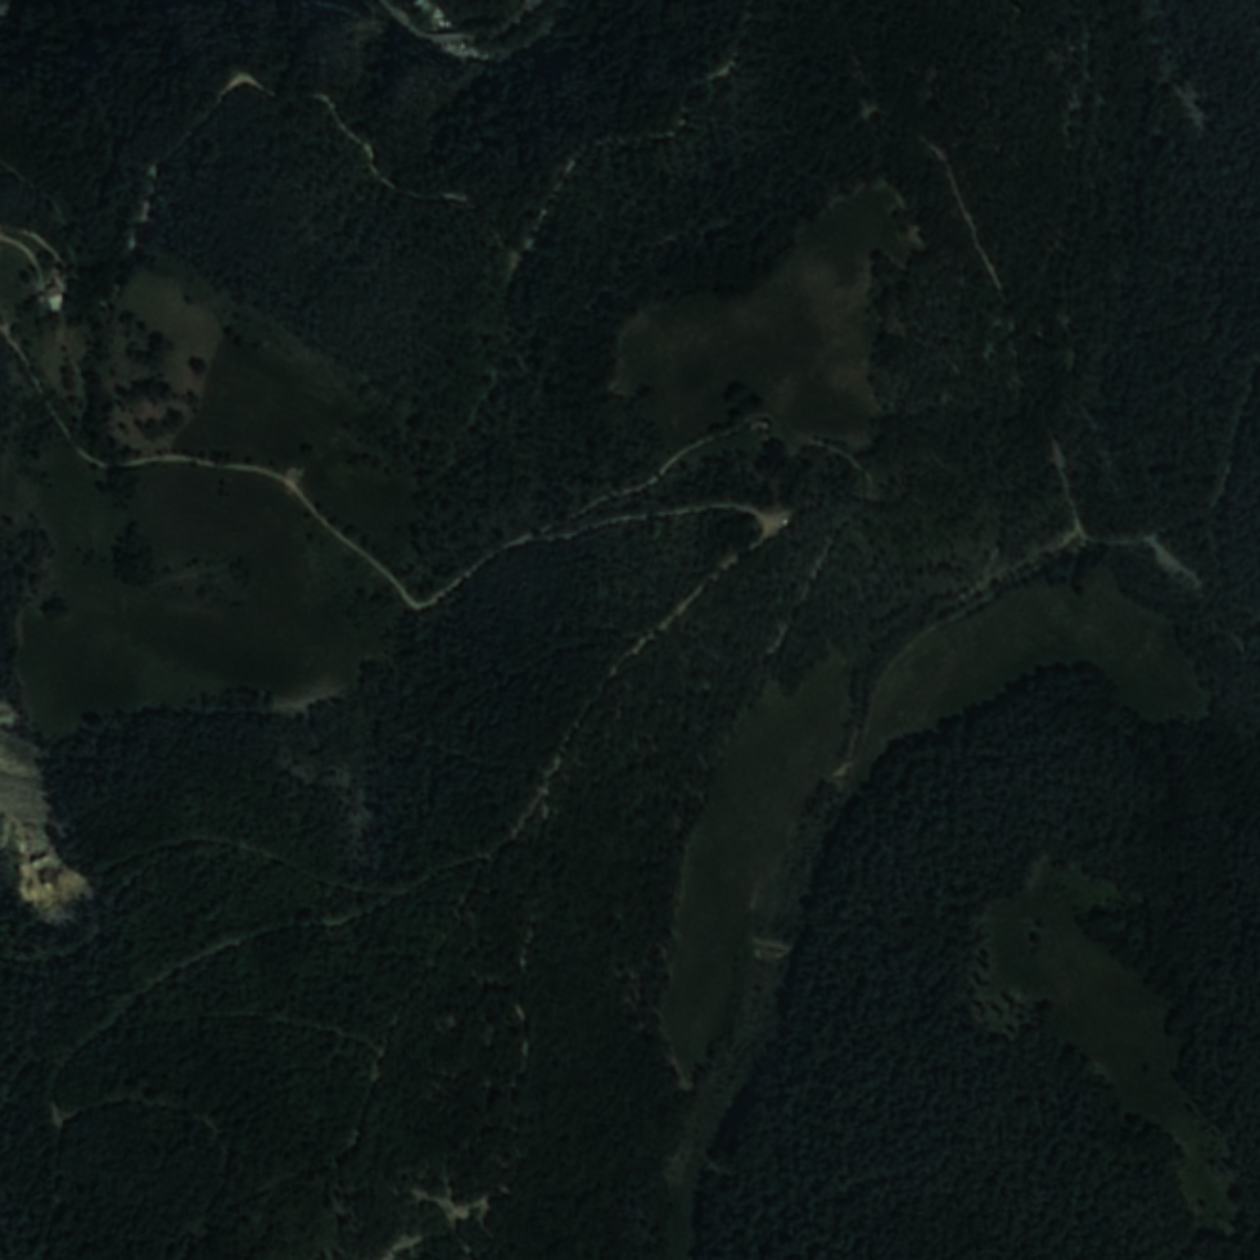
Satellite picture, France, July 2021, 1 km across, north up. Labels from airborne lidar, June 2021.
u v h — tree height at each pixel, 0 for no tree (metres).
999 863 14
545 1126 16
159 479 0
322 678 0
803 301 0
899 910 18
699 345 0
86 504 0
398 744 9
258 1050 13
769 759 0
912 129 13
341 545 0
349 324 10
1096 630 0
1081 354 14
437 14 7
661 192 12
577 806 14
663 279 11
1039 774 19
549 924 16
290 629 0
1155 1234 19
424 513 9
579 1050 15
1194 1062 19
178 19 13
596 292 9
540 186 16
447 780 15
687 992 0
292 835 8
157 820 11
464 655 7
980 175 13
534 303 14
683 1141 9
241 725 16
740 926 0
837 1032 11
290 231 13
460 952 14
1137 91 8
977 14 16
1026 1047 17
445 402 21
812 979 19
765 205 13
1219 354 19
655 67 12
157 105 19
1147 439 18
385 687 13
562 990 18
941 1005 21
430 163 25
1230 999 24
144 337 11
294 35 20
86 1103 10
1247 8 11
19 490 0
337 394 0
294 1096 11
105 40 21
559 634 10
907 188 15
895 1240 19
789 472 9
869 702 7
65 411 8
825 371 0
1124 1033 0
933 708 0
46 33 30
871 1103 12
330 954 13
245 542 0
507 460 12
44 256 10
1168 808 24
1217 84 18
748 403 17
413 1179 10
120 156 17
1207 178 14
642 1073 20
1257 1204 21
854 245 0
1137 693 0
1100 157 16
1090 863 16
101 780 15
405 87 12
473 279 14
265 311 9
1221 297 16
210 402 0
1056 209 13
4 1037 11
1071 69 11
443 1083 9
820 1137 16
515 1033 16
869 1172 16
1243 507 11
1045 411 16
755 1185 18
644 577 7
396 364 10
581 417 16
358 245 6
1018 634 0
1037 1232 15
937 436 16
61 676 0
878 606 17
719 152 11
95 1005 12
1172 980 19
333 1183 12
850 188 15
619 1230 21
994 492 21
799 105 16
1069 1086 17
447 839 7
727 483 14
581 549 10
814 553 14
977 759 17
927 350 14
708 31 17
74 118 25
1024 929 0
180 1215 14
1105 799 21
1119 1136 17
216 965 8
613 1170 14
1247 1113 21
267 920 10
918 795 7
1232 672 10
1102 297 12
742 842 0
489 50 14
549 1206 17
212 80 18
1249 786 19
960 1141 16
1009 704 21
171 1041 14
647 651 10
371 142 9
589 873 17
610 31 20
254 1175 11
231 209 11
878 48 17
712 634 13
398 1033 10
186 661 0
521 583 9
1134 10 6
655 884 16
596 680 13
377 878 9
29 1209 6
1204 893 18
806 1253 12
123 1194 12
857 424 0
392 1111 12
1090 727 15
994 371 14
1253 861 19
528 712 14
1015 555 12
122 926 6
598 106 18
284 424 0
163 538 0
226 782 16
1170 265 16
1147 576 14
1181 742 20
